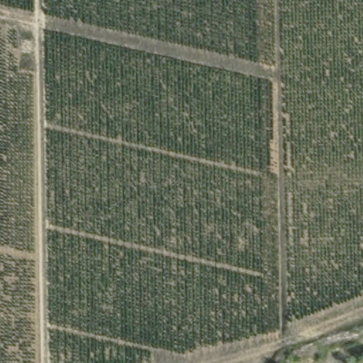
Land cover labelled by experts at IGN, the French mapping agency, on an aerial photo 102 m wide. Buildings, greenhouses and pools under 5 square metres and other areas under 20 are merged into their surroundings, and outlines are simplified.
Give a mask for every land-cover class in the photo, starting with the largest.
<instances>
[{"label":"vineyard","instance_id":"1","mask_svg":"<svg viewBox=\"0 0 363 363\"><path fill-rule=\"evenodd\" d=\"M35 0H0V363H35V353L30 352L28 347L33 345L35 340L30 312L35 311L33 278L35 261L38 259L37 252L34 251L35 68L34 55L24 52L20 45L24 40L33 38L31 30ZM44 60L41 61L40 74L43 147L41 166L43 258L45 278L48 279V320L55 323V329H48L51 363H142L149 362L153 346L184 353L196 349L197 346L234 342L242 337L248 339L275 330L286 336L288 322H291L292 318L301 319L303 316L312 315L330 308L333 303L350 301L363 292V0H44Z\"/></svg>","mask_w":363,"mask_h":363},{"label":"herbaceous vegetation","instance_id":"2","mask_svg":"<svg viewBox=\"0 0 363 363\"><path fill-rule=\"evenodd\" d=\"M363 318V292L350 301L333 303L330 308L312 315L303 316L301 319L292 318L291 322H288L286 336L275 330L248 339L242 337L234 342L197 346L196 349L184 353L153 346L149 362L142 363H264L265 359L279 347L294 345L301 340L311 339Z\"/></svg>","mask_w":363,"mask_h":363},{"label":"pervious surface","instance_id":"3","mask_svg":"<svg viewBox=\"0 0 363 363\"><path fill-rule=\"evenodd\" d=\"M44 0H35L31 30L33 38L24 40L20 45L24 52L34 55L35 68L34 251L37 252L38 259L35 261L33 278L35 311L30 312L35 340L33 345L28 347L30 352L35 353V363H51L48 329H55V323L48 320V279L45 278L43 258L41 166L43 147L40 74L41 61L44 60Z\"/></svg>","mask_w":363,"mask_h":363},{"label":"deciduous trees","instance_id":"4","mask_svg":"<svg viewBox=\"0 0 363 363\"><path fill-rule=\"evenodd\" d=\"M264 363H363V318L311 339L301 340L294 345L279 347L265 359Z\"/></svg>","mask_w":363,"mask_h":363}]
</instances>
